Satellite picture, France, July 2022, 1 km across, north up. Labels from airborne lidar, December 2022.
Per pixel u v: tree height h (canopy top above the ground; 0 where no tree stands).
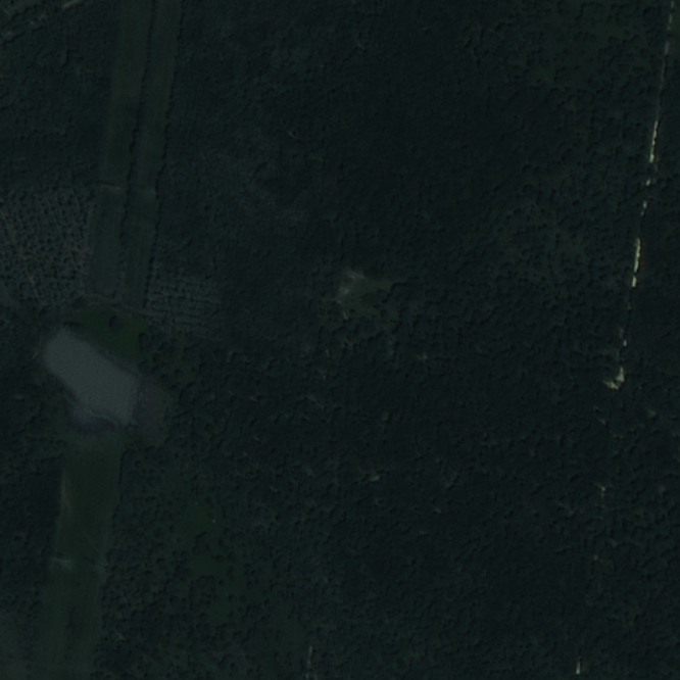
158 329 11
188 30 17
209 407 15
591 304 21
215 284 23
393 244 23
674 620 18
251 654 10
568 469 20
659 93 20
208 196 21
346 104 24
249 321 14
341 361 18
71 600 0
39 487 23
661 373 18
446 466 21
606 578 18
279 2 24
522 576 22
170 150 18
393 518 17
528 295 19
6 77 16
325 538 21
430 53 23
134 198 13
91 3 24
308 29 17
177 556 11
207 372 18
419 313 19
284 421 22
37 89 16
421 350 25
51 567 12
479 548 15
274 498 24
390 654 16
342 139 22
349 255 20
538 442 24
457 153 27
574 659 14
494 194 20
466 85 25
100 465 0
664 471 27
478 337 27
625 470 25
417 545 19
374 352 23
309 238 22
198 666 12
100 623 0
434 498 23
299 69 23
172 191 21
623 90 9
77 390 0
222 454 13
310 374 19
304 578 12
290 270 21
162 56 0
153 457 13
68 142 20
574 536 19
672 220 13
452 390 24
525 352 24
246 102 15
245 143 21
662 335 19
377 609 17
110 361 0
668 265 10
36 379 12
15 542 17
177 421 15
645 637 18
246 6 21
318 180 19
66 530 0
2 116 19
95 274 0
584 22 14
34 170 21
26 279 24
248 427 21
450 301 22
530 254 15
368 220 23
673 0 11
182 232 21
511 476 23
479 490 22
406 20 24
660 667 18
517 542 15
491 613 20
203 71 18
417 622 16
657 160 10
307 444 19
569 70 11
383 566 20
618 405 25
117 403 0
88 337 0
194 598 12
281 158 26
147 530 11
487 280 19
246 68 20
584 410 24
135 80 0
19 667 0
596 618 20
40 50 14
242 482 16
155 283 24
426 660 13
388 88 23
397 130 24
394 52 22
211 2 23
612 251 17
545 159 23
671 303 18
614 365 27
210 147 17
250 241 21
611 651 14
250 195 18
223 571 0
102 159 23
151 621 18
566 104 13
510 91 24
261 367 20
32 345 17
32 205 18
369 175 24
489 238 12
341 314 16
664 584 20
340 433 24
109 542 0
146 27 0
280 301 16
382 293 15
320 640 12
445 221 25
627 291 21
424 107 26
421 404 22
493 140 25
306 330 17
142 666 12
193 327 21
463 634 13
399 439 21
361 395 22
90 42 23
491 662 14
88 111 22
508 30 21
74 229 23
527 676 14
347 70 20
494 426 25
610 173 10
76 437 0
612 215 17
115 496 0
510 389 25
